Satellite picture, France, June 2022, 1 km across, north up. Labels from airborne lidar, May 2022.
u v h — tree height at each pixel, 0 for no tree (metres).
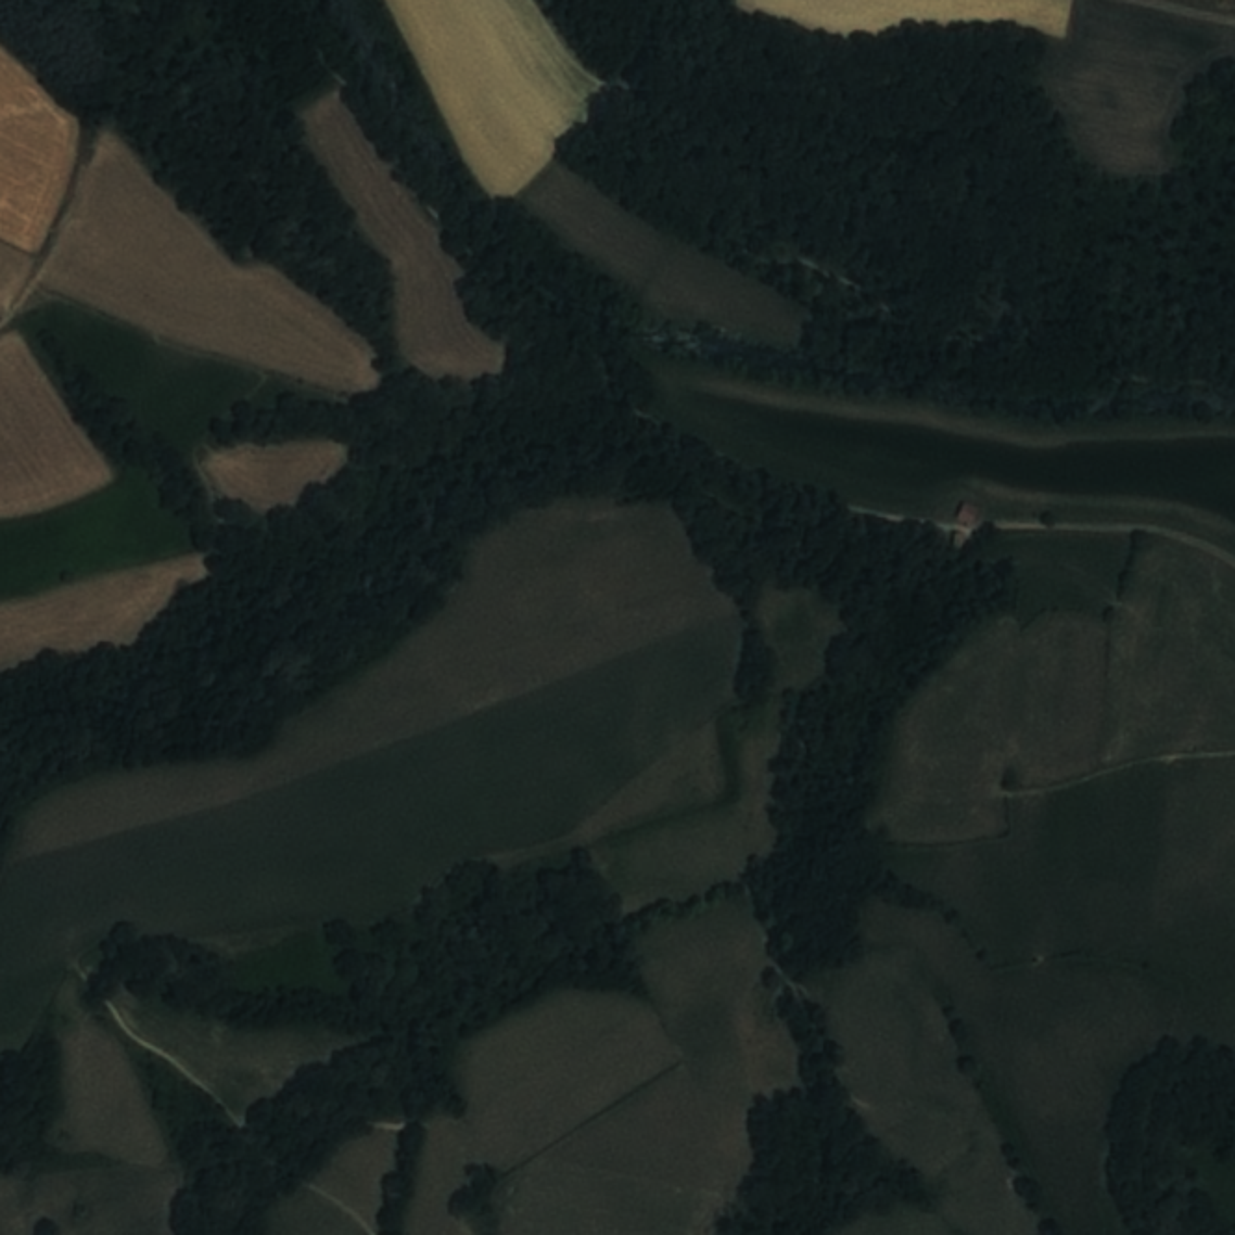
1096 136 0
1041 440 0
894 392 6
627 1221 0
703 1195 0
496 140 0
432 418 29
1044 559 0
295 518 22
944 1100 0
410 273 0
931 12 0
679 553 0
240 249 20
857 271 23
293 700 19
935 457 0
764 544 18
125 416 17
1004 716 0
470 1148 0
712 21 20
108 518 0
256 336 0
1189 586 0
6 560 0
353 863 0
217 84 25
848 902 24
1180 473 0
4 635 0
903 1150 0
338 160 0
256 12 7
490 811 0
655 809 0
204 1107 6
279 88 8
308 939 0
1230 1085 22
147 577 0
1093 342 8
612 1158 0
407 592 20
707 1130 0
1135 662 0
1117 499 0
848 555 20
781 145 16
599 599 0
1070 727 0
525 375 22
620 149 27
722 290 0
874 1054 0
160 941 14
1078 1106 0
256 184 24
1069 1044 0
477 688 0
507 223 30
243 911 0
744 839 0
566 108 0
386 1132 0
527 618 0
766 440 0
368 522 12
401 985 13
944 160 32
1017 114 24
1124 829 0
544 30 0
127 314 0
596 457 11
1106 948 0
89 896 0
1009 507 0
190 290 0
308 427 21
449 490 26
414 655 0
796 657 0
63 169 0
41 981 0
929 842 0
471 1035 8
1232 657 0
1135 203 14
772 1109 19
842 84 18
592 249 0
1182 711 0
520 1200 0
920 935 0
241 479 0
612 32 10
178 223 0
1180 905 0
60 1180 0
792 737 7
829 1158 22
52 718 25
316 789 0
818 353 21
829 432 0
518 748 0
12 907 0
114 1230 0
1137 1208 19
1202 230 21
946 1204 0
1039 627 0
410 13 0
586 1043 0
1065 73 0
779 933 28
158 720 15
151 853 0
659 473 19
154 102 25
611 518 0
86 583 0
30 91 0
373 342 15
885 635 18
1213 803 0
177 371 0
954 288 22
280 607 16
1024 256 24
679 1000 0
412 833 0
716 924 0
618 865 0
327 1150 24
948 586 20
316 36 8
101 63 16
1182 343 15
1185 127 10
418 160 24
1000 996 0
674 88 23
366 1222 0
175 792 0
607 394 16
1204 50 0
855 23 0
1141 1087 22
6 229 0
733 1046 0
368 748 0
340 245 27
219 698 17
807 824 16
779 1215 18
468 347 0
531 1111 0
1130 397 11
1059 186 20
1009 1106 0
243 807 0
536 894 7
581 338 17
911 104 27
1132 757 0
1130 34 0
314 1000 11
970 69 29
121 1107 0
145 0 22
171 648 17
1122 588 6
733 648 0
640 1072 0
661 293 0
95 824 0
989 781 0
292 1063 0
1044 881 0
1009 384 19
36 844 0
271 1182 18
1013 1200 0
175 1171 0
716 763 0
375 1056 15
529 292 14
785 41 25
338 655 21
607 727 0
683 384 0
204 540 17
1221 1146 10
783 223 32
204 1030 0
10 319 0
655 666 0
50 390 0
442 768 0
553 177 0
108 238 0
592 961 20
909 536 26
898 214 23
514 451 16
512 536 0
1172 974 0
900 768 0
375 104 22
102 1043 0
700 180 31
